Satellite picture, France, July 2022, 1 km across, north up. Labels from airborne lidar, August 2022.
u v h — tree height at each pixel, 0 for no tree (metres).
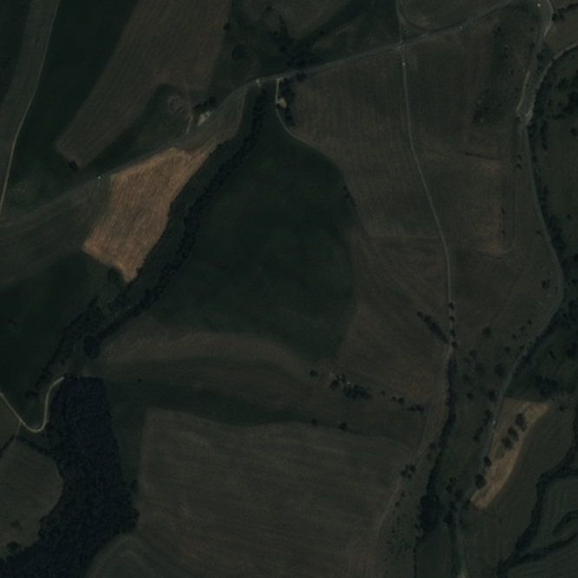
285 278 0
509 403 0
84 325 10
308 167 0
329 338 0
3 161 0
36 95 0
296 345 0
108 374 0
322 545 0
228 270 0
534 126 13
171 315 0
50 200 0
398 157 0
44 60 0
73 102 0
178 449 0
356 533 0
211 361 0
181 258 6
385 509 0
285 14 0
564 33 0
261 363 0
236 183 0
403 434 0
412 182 0
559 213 0
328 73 0
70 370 0
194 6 0
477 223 0
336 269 0
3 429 0
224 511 0
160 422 0
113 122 0
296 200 0
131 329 0
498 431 0
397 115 0
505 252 0
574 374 0
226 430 0
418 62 0
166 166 0
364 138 0
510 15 0
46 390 0
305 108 0
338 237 0
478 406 0
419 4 0
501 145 0
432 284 0
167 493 0
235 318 0
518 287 0
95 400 21
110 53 0
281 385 0
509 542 0
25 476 0
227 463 0
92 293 0
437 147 0
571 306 16
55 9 0
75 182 0
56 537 10
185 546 0
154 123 0
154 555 0
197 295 0
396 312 0
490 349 0
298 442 0
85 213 0
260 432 0
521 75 0
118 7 0
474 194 0
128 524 20
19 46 0
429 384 0
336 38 0
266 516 0
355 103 0
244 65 0
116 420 0
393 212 0
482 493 0
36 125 0
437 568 0
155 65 0
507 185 0
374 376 0
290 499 0
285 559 0
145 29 0
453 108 0
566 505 0
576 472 6
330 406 0
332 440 0
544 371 0
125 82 0
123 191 0
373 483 0
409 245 0
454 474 0
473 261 0
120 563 0
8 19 0
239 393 0
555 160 0
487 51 0
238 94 0
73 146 0
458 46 0
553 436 0
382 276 0
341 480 0
